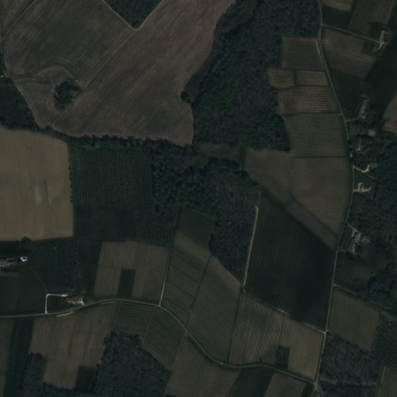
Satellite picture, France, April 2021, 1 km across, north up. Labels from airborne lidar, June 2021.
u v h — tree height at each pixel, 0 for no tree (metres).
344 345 14
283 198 0
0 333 0
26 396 20
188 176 25
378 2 0
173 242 0
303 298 0
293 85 0
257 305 0
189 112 0
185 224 0
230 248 20
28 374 19
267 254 0
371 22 0
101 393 22
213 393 0
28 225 0
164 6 0
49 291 0
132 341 19
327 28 0
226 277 0
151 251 0
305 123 0
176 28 0
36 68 0
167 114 0
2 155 0
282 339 0
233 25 0
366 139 8
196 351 0
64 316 0
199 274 0
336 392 18
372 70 0
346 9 0
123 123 0
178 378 0
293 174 0
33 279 0
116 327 0
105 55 0
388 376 0
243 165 0
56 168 0
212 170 21
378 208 14
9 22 0
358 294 10
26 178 0
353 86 0
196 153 22
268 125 26
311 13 13
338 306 0
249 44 22
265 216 0
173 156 25
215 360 0
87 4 0
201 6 0
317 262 0
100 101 0
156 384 21
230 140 22
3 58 12
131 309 0
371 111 12
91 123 0
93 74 0
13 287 0
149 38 0
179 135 0
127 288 0
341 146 0
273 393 0
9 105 0
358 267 0
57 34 0
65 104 21
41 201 0
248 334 0
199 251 0
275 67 19
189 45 0
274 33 22
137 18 11
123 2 14
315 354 0
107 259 0
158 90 0
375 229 9
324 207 0
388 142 9
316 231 0
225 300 0
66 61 0
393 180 18
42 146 0
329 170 0
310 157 0
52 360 0
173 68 0
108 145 15
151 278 0
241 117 21
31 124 16
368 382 16
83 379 0
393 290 21
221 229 17
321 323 0
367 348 0
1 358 0
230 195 15
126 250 0
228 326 0
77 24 0
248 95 19
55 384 0
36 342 0
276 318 0
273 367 0
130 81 0
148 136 0
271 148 10
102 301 0
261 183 0
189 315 0
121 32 0
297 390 0
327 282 0
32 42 0
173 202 22
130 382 19
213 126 13
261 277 0
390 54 0
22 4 0
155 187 13
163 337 0
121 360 21
